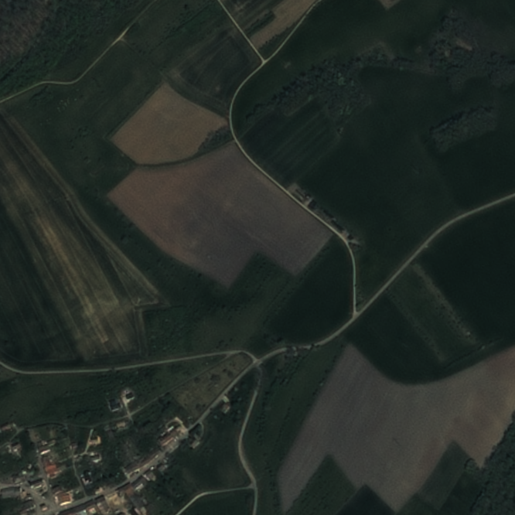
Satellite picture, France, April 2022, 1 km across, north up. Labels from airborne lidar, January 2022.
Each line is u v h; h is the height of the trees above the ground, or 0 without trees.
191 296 0
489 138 0
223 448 0
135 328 0
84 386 0
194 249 0
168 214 0
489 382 0
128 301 0
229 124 0
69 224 0
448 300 0
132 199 0
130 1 18
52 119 0
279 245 0
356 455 0
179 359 0
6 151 0
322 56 0
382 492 0
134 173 0
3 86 18
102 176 0
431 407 0
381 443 0
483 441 0
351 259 0
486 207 0
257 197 0
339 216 0
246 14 0
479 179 0
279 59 0
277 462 0
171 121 0
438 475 0
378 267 0
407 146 0
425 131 0
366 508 0
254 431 0
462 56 19
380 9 0
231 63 0
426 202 0
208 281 0
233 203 0
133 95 0
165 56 0
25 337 0
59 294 0
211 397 0
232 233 0
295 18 0
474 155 0
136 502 0
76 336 0
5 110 0
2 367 12
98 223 0
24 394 0
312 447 0
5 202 0
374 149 0
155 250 0
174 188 0
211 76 0
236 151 0
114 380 6
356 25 0
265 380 14
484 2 0
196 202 0
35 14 23
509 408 0
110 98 0
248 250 0
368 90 0
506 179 0
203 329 0
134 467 0
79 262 0
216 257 0
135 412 0
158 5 0
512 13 0
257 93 0
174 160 0
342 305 0
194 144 0
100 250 0
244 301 0
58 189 0
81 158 0
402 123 0
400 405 0
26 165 0
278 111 0
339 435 0
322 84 20
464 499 0
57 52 21
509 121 0
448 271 0
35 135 0
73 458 0
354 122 0
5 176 0
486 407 0
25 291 0
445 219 0
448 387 0
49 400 0
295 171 0
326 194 0
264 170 0
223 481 0
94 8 23
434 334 0
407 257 0
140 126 0
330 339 0
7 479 0
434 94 0
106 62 0
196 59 0
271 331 0
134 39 0
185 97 0
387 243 0
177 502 0
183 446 15
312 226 0
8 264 0
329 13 0
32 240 0
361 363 0
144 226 0
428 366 0
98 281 0
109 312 0
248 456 0
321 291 0
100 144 0
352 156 0
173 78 0
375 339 0
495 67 17
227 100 0
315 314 0
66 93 0
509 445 22
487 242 0
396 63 14
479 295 0
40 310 0
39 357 0
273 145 0
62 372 0
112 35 0
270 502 0
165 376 0
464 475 0
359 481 0
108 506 0
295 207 0
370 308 0
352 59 0
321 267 0
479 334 0
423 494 0
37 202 0
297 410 0
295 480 0
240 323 0
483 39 0
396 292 0
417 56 0
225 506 0
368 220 0
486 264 0
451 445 0
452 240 0
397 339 0
